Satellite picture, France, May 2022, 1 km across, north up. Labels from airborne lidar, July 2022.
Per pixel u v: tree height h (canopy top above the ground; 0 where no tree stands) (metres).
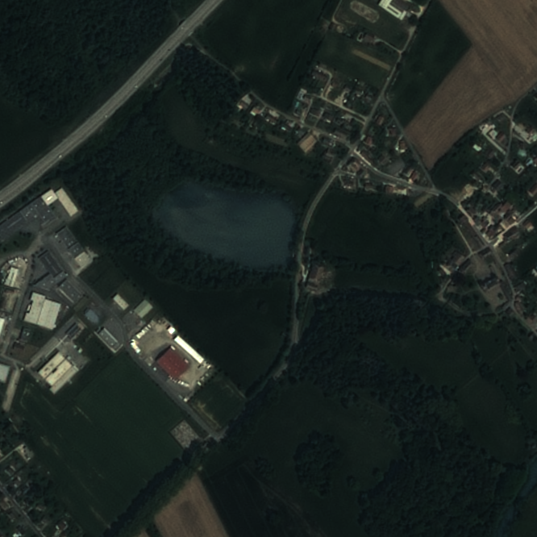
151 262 12
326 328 30
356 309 25
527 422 6
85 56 6
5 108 0
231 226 0
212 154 0
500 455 0
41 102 28
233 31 0
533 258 0
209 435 0
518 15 0
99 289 0
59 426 0
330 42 0
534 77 0
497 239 0
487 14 0
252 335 0
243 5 0
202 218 0
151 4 22
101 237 16
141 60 0
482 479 24
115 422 0
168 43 0
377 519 27
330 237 0
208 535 0
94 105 0
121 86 0
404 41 0
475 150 0
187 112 0
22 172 0
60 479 0
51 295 0
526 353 0
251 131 6
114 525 0
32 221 0
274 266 8
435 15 0
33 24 15
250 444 0
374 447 0
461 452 24
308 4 0
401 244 0
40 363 0
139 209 28
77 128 0
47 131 0
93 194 22
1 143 0
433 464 35
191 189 0
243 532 0
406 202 14
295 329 0
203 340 0
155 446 0
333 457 34
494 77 0
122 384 0
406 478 31
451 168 0
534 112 10
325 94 0
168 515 0
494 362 0
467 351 0
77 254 0
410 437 18
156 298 0
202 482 0
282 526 0
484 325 9
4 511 9
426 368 0
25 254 0
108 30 12
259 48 0
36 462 0
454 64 0
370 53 0
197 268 26
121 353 0
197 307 0
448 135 0
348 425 0
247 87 13
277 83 0
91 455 0
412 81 0
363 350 30
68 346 0
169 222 0
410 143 0
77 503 0
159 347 0
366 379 23
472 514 29
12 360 0
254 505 0
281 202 0
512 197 0
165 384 0
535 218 0
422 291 15
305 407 0
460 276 20
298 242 15
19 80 23
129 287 0
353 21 0
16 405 0
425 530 29
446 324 24
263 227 0
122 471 0
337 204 0
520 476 27
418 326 24
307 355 33
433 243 18
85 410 0
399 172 0
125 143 26
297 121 0
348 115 0
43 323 0
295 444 0
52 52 17
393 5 0
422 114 0
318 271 0
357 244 0
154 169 24
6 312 0
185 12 17
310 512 0
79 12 24
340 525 0
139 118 26
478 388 0
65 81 9
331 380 22
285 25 0
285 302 0
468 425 0
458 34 0
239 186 17
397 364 0
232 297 0
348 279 0
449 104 0
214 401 0
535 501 0
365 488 0
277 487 0
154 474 0
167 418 0
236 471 0
